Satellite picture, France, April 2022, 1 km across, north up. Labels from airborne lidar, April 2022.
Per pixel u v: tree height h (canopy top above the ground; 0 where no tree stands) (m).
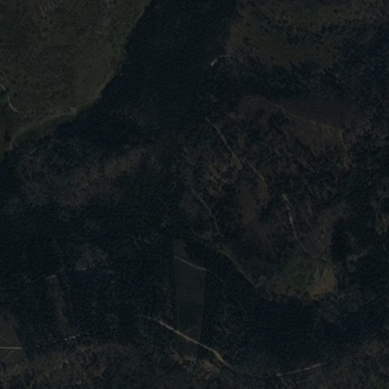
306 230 9
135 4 11
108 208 32
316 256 16
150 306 31
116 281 26
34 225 27
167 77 18
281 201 37
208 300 12
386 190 22
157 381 17
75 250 35
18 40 10
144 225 23
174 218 24
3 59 15
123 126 23
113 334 13
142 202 27
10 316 32
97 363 38
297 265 9
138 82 20
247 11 13
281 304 21
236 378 19
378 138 17
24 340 30
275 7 0
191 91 18
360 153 24
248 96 9
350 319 16
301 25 6
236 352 36
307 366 27
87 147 30
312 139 10
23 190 32
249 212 14
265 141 29
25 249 30
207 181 28
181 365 11
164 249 28
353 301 13
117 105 20
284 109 10
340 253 31
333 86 17
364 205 24
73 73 6
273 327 27
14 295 35
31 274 30
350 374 20
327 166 28
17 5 13
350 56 16
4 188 24
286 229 17
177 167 20
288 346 33
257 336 32
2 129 0
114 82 0
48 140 9
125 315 17
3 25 19
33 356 22
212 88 21
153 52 20
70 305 24
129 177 29
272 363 30
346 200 15
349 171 6
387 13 14
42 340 28
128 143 26
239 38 0
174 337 9
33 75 7
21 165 18
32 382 9
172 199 23
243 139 12
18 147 0
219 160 24
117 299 27
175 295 8
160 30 17
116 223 31
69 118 0
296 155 26
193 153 29
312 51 0
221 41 15
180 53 18
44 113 14
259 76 22
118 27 6
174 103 20
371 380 26
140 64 24
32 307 25
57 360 19
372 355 10
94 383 28
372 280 26
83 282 33
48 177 17
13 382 19
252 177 14
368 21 14
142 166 21
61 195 30
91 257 28
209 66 15
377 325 18
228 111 18
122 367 25
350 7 16
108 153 22
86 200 27
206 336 6
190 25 16
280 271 8
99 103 0
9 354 0
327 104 15
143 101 23
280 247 15
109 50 0
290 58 0
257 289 20
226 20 19
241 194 20
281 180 29
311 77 25
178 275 0
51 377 15
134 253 20
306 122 8
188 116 20
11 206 29
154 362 21
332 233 15
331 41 0
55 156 12
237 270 19
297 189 11
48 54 11
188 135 17
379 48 16
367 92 12
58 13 14
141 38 20
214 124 11
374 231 25
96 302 35
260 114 11
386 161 18
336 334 18
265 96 17
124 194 23
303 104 15
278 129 8
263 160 7
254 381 18
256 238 15
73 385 20
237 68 8
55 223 29
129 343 17
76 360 25
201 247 15
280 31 17
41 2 16
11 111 8
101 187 29
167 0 24
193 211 23
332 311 12
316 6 0
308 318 28
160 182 23
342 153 9
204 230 13
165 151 21
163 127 20
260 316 22
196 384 9
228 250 17
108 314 28
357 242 22
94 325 34
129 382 19
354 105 12
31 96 9
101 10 8
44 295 8
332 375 23
